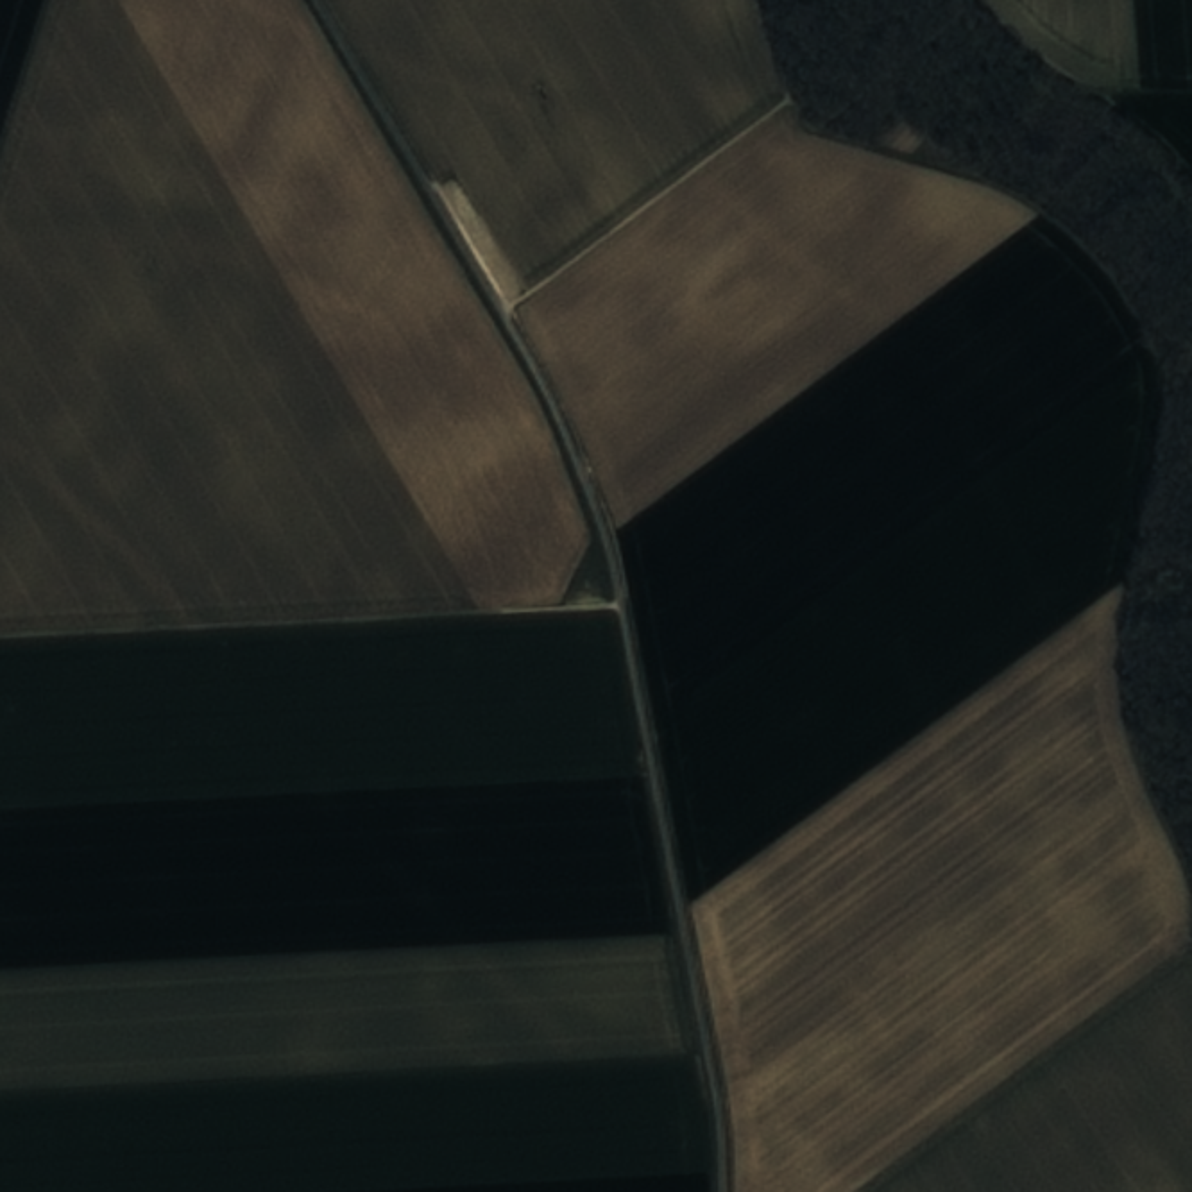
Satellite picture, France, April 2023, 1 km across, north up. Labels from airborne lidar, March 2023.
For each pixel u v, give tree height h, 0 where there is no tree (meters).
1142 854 0
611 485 0
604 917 0
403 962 0
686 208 0
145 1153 0
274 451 0
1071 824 0
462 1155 0
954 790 0
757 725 0
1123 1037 0
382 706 0
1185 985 0
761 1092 0
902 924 0
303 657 0
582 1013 0
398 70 0
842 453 0
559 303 0
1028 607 0
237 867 0
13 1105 0
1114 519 0
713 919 0
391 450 0
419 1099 0
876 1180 0
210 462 0
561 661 0
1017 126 24
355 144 0
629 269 0
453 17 0
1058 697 0
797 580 0
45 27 0
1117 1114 0
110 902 0
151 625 0
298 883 0
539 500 0
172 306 0
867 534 0
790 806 0
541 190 0
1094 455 0
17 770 0
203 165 0
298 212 0
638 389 0
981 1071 0
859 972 0
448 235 0
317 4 0
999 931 0
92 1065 0
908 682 0
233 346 0
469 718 0
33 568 0
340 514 0
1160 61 0
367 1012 0
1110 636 0
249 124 0
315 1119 0
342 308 0
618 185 0
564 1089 0
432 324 0
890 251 0
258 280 0
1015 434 0
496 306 0
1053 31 0
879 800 0
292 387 0
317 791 0
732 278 0
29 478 0
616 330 0
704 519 0
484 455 0
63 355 0
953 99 22
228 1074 0
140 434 0
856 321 0
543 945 0
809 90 25
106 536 0
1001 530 0
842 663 0
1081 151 7
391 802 0
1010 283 0
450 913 0
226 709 0
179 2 0
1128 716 7
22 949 0
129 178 0
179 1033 0
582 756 0
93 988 0
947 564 0
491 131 0
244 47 0
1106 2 0
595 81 0
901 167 0
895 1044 0
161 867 0
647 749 0
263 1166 0
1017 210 0
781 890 0
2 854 0
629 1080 0
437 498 0
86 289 0
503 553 0
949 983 0
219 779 0
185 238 0
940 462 0
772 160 0
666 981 0
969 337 0
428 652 0
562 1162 0
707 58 0
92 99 0
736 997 0
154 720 0
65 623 0
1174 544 25
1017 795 0
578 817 0
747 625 0
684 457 0
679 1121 0
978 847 0
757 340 0
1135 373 0
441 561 0
